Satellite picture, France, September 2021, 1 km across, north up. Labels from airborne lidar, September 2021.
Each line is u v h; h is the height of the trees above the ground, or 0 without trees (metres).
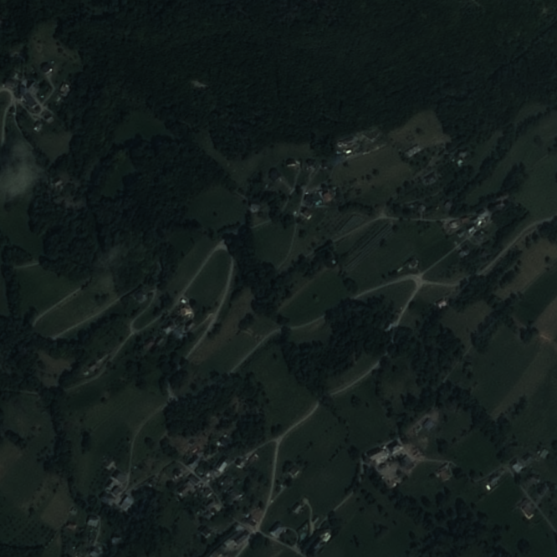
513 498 0
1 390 18
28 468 0
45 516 0
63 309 0
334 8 26
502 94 33
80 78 13
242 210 0
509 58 11
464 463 0
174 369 21
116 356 0
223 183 22
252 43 20
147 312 0
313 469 0
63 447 25
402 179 0
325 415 0
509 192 17
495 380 0
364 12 28
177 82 21
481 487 0
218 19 25
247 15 29
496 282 19
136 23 13
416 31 22
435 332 20
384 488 19
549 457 6
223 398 25
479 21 23
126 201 22
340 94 21
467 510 16
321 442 0
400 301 0
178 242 0
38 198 14
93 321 0
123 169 0
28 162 23
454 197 8
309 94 21
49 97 0
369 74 29
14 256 16
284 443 0
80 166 15
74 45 21
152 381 0
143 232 26
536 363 0
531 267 0
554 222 11
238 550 0
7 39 28
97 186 17
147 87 19
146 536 31
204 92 17
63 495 0
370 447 0
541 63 19
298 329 0
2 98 0
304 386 12
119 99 7
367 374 0
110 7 20
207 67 25
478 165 0
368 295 0
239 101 25
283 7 32
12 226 0
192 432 17
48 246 19
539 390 0
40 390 22
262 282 24
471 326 0
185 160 25
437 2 18
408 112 26
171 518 0
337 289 0
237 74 25
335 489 0
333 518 11
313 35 22
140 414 0
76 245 30
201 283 0
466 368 8
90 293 0
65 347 20
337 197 6
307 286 0
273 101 24
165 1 17
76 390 0
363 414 0
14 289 25
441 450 13
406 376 0
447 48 24
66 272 24
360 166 0
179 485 6
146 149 20
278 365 0
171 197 30
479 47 25
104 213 23
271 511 0
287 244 0
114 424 0
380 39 18
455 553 19
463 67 23
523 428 0
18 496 0
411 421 12
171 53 21
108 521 20
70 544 10
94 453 0
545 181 0
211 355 0
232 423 12
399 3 27
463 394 16
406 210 7
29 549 11
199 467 6
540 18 12
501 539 16
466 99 23
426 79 22
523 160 0
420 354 24
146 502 13
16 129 0
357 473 9
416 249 0
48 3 28
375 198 0
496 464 0
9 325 21
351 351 10
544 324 0
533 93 19
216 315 0
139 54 19
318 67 20
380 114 28
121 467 0
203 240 0
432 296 0
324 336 0
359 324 26
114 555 11
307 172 0
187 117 26
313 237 0
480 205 11
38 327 0
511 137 19
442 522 18
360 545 13
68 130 7
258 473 12
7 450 0
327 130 24
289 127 22
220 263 0
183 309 0
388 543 0
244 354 0
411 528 0
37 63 0
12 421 0
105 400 11
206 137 0
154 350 10
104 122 21
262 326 0
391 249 0
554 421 0
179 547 0
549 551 0
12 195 19
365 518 0
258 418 15
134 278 27
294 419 0
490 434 20
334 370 9
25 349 24
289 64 16
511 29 16
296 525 0
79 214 10
